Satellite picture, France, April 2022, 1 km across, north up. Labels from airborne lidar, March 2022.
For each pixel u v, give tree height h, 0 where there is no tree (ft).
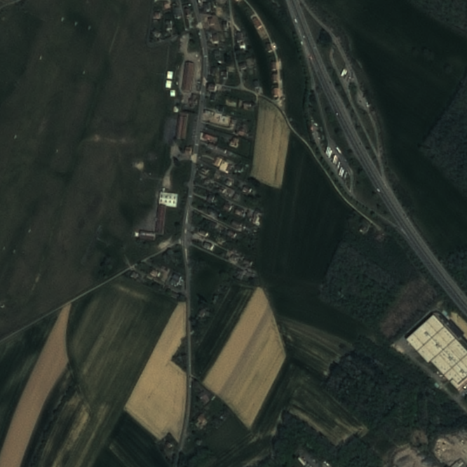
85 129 0
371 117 0
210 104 0
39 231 0
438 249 0
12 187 0
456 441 0
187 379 0
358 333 0
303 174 0
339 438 0
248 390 0
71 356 0
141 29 0
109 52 0
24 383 0
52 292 0
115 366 0
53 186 0
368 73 0
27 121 0
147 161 0
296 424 74
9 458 0
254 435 0
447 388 0
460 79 0
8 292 0
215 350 0
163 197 0
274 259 0
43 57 0
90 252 0
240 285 0
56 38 0
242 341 0
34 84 0
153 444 0
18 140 0
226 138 0
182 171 0
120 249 0
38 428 0
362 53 0
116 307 0
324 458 37
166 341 0
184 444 0
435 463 0
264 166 0
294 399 0
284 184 0
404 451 0
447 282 0
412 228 0
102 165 0
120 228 0
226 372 0
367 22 0
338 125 0
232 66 26
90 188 0
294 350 0
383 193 0
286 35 0
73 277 0
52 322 0
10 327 0
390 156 0
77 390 0
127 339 0
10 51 0
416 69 0
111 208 0
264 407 0
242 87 0
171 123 0
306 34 0
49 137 0
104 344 0
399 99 0
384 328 0
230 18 0
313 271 0
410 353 0
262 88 0
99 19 0
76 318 0
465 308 0
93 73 0
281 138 0
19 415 0
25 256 0
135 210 0
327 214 0
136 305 0
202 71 0
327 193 0
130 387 0
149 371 0
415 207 0
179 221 0
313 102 37
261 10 0
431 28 0
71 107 0
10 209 0
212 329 0
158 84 0
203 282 0
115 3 0
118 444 0
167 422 0
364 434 0
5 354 0
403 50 0
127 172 0
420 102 0
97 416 0
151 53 0
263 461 0
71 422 0
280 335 0
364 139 0
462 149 97
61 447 0
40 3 0
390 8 0
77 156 0
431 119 0
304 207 0
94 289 0
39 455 19
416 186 0
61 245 0
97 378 0
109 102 0
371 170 0
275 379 0
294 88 0
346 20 0
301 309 0
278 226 0
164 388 0
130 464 0
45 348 0
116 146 0
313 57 0
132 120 0
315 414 0
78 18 0
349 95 0
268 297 0
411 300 0
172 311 0
